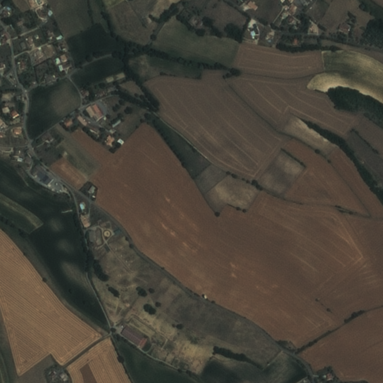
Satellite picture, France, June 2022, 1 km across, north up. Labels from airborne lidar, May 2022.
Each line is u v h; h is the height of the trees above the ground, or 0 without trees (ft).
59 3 0
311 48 44
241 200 0
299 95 0
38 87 24
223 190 0
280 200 0
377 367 0
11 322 0
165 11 34
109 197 0
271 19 0
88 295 0
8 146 0
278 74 0
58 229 0
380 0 0
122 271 0
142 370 0
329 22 0
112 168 0
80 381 0
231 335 0
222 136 0
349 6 0
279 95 0
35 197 0
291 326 0
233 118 0
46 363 0
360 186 0
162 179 0
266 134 0
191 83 0
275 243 0
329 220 0
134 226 0
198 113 0
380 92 0
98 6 0
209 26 49
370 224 0
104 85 38
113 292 44
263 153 0
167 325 0
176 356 0
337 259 0
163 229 0
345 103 23
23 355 0
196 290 0
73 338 0
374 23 50
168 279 0
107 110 0
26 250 0
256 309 0
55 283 0
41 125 0
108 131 0
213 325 0
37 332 0
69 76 0
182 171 0
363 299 0
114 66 0
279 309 0
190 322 0
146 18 0
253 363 17
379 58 0
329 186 0
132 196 0
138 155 0
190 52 0
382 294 0
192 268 0
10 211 0
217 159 0
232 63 0
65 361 0
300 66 0
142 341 0
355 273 0
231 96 0
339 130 0
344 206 0
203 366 0
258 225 0
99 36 0
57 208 0
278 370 0
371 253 0
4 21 35
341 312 0
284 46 27
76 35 0
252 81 0
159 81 0
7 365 0
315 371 0
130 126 0
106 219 0
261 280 0
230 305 0
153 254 0
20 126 0
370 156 0
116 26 0
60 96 0
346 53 0
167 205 0
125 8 0
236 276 0
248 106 0
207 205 0
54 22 22
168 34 0
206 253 0
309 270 0
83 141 0
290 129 0
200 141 0
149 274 0
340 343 0
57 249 0
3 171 0
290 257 0
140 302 0
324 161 0
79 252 0
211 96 0
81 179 0
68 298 0
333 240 0
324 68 0
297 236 0
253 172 0
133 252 0
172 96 0
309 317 0
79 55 0
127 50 46
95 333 0
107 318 0
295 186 0
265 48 0
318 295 0
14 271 0
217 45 0
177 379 0
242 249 0
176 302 0
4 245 0
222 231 0
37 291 0
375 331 0
